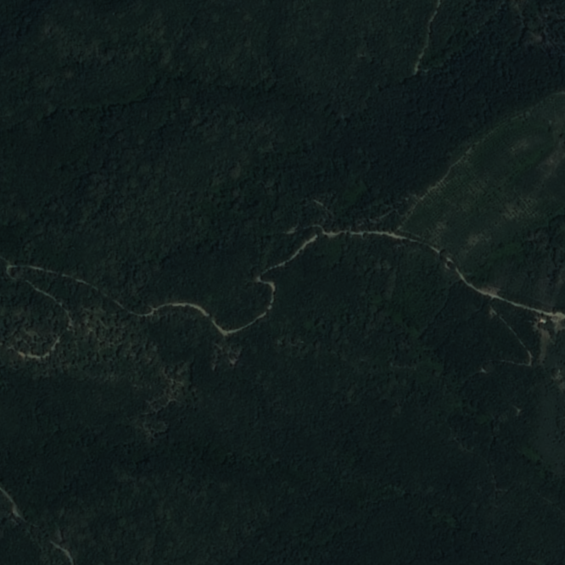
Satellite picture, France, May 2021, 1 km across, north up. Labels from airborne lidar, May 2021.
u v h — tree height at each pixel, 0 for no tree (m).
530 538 6
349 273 13
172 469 7
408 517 10
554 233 14
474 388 10
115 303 10
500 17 10
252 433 11
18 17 12
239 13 8
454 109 21
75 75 10
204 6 11
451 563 16
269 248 12
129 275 17
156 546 9
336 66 11
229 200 9
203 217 15
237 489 10
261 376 7
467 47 11
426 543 14
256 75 13
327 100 20
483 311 7
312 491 12
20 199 12
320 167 9
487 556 17
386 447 12
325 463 15
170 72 19
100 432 11
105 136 17
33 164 17
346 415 16
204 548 13
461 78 20
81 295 14
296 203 10
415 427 8
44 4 14
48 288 8
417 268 8
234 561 13
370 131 18
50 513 12
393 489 12
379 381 7
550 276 11
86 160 23
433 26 13
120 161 13
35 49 7
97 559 13
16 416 12
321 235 10
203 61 8
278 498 11
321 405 12
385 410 10
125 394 9
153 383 7
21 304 13
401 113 14
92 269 11
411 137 20
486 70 15
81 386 8
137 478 9
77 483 13
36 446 11
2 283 14
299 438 15
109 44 12
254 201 7
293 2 12
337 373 9
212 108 9
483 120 15
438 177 7
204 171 10
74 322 10
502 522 8
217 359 11
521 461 11
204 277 10
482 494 9
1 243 14
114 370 8
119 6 7
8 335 14
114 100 8
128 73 8
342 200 9
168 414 8
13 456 21
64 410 13
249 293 9
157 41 10
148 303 12
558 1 13
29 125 25
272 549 7
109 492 11
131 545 12
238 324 8
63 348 13
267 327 9
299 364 8
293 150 7
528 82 15
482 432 13
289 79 17
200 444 18
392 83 21
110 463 12
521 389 11
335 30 13
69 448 18
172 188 15
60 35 15
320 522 13
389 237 6
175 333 12
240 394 8
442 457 8
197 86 17
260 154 17
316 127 18
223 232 13
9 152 16
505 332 6
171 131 14
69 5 9
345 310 9
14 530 13
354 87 14
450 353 12
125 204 12
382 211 8
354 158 16
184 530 11
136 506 11
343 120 27
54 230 10
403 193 13
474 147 6
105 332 14
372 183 18
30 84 10
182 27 10
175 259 17
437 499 12
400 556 15
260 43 10
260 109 15
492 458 9
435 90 14
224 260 12
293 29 11
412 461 9
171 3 8
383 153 20
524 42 21
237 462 14
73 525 13
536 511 10
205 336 12
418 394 14
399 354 14
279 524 9
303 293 10
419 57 8
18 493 12
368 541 6
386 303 7
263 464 10
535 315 7
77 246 10
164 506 8
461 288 8
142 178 13
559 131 0
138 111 10
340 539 10
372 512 14
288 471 14
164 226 11
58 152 19
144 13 8
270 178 21
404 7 13
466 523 18
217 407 8
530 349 8
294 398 13
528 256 13
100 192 15
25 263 9
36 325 10
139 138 13
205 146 10
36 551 10
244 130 7
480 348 10
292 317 10
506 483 8
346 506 13
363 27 10
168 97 9
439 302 9
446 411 8
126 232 7
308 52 10
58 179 19
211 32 11
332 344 8
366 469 12
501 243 9
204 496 11
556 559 8
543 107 7
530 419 12
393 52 10
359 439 13
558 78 14
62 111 23
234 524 10
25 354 7
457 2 10
